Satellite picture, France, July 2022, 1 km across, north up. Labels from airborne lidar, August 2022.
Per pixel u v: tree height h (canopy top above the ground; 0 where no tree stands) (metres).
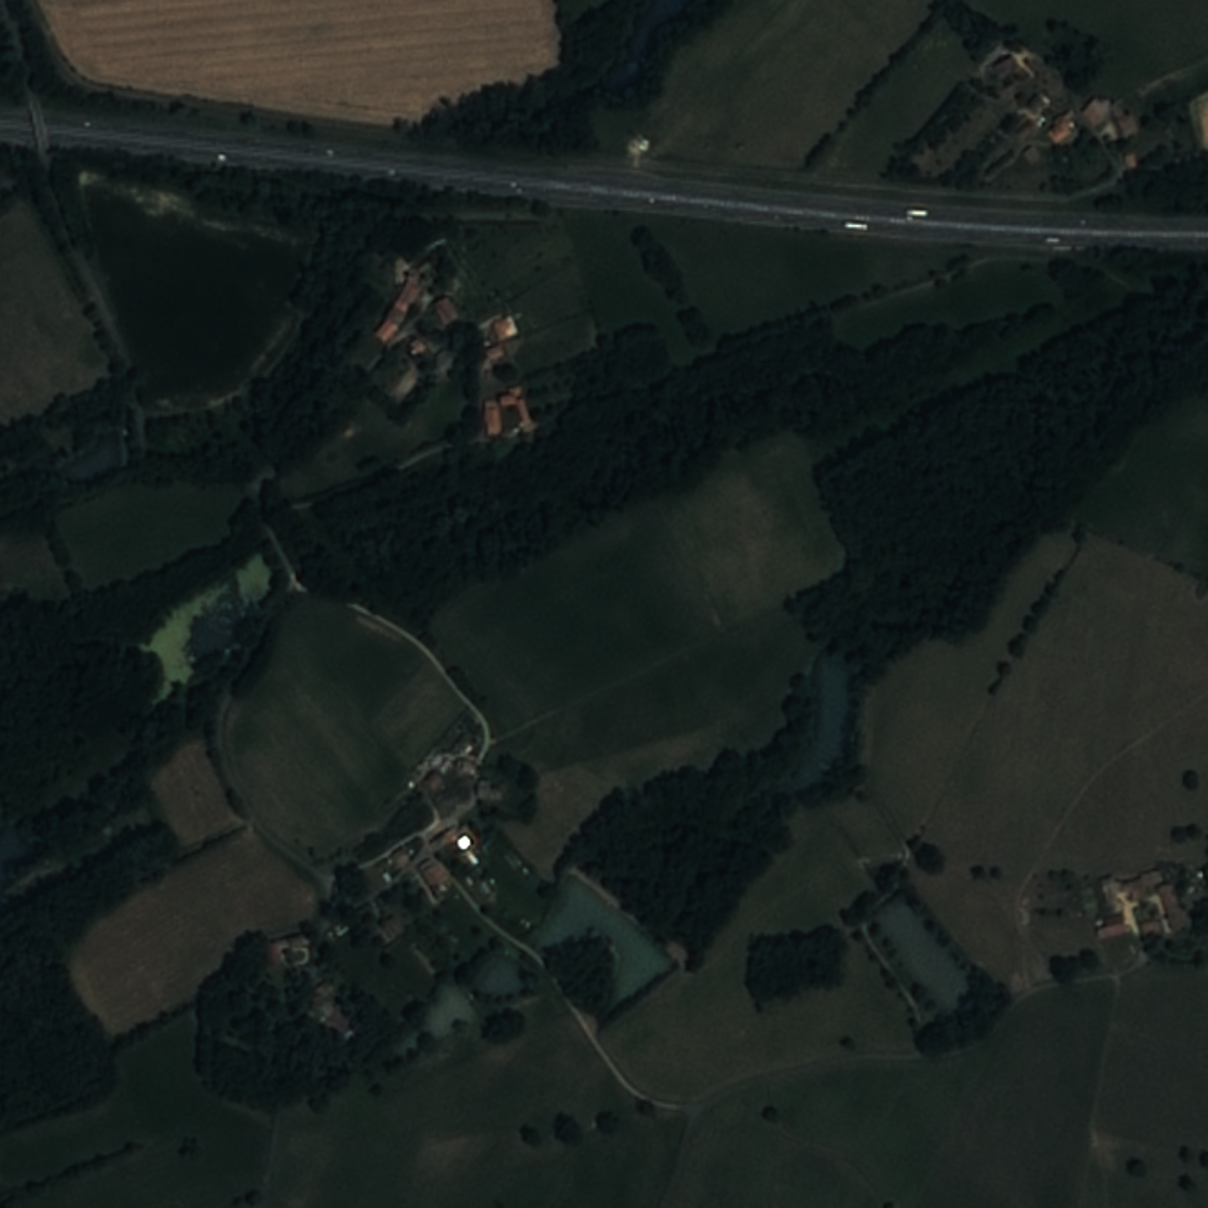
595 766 0
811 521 0
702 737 0
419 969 0
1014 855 0
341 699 0
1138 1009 0
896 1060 0
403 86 0
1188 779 8
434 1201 0
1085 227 0
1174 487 0
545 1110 0
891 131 0
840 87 0
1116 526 0
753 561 0
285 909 0
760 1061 0
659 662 0
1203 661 0
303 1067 19
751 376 26
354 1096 0
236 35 0
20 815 16
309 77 0
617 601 0
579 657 0
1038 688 0
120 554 0
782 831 17
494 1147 0
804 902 0
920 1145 0
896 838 0
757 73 0
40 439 18
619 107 25
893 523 21
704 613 0
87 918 23
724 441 17
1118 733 0
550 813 0
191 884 0
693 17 16
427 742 0
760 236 0
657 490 18
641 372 19
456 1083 0
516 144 20
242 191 9
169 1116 0
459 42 0
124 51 0
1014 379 13
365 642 0
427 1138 0
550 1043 0
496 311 0
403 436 0
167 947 0
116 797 20
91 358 0
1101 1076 0
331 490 6
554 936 0
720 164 0
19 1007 25
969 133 0
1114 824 0
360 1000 18
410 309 11
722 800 21
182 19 0
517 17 0
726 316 0
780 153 0
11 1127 7
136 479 8
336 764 0
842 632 22
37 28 11
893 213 0
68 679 18
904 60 13
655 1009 0
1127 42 0
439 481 13
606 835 21
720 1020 0
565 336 0
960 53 0
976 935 0
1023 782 0
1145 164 11
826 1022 0
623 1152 0
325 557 20
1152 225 0
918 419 20
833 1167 0
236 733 0
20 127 0
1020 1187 0
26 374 0
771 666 0
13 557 0
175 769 0
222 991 15
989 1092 0
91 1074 23
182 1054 0
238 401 11
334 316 22
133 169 10
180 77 0
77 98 10
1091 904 0
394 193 12
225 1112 0
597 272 0
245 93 0
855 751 20
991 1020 16
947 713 0
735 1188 0
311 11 0
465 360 15
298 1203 0
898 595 20
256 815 0
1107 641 0
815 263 0
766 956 19
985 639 0
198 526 0
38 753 25
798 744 18
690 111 0
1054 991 0
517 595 0
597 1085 0
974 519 22
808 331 18
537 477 17
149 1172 0
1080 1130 0
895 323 0
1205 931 14
